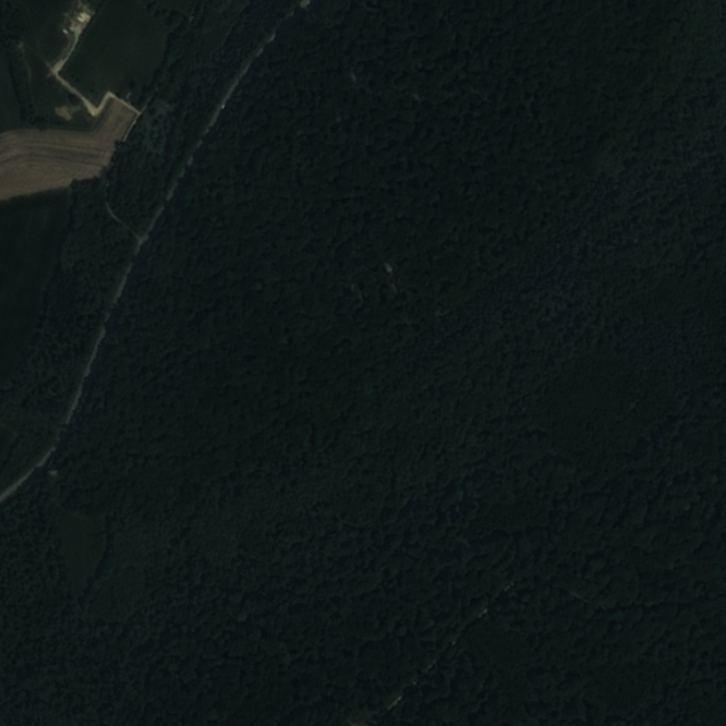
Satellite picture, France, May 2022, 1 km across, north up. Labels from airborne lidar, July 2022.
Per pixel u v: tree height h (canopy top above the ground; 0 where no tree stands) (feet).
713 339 40
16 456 38
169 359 74
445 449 82
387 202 95
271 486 82
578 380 55
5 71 0
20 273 0
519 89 88
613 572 99
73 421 20
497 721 57
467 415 81
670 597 74
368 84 43
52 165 0
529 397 58
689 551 83
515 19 67
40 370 53
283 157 68
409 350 71
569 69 76
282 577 91
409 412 85
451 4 86
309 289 88
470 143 94
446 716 86
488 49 84
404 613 84
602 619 92
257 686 101
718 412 88
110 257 53
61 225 0
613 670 30
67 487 36
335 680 91
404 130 88
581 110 103
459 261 97
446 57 78
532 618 74
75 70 0
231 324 94
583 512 90
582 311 83
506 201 92
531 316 91
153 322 69
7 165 0
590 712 88
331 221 90
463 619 50
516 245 84
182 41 56
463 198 96
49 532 78
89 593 52
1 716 91
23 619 59
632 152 74
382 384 82
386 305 93
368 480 90
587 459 26
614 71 90
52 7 0
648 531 98
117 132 0
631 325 80
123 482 80
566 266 108
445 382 83
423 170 100
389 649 102
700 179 120
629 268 78
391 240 107
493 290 74
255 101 82
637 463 95
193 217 67
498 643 31
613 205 96
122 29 0
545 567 90
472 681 87
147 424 86
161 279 62
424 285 89
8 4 38
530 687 21
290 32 92
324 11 81
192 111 67
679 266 77
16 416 95
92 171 0
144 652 84
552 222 86
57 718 90
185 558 26
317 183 88
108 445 68
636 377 35
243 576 94
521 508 33
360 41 89
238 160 82
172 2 0
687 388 63
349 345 94
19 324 0
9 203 0
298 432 79
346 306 91
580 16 76
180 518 78
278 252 97
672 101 94
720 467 105
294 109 82
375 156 101
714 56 78
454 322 72
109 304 31
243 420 93
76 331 28
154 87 24
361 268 95
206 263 88
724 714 96
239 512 86
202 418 81
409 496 34
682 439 76
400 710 24
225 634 102
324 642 97
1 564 35
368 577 95
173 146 68
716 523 93
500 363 66
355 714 52
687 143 96
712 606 79
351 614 100
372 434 87
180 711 94
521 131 96
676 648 85
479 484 88
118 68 0
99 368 68
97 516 53
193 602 94
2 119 0
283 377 92
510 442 75
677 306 49
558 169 85
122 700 83
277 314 85
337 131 82
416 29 94
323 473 73
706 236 90
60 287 90
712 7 72
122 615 31
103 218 26
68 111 0
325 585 106
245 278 95
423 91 84
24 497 52
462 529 33
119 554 74
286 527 91
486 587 84
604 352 54
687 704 91
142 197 93
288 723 86
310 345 83
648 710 21
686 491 95
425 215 108
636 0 88
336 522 82
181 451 76
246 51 71
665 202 37
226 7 66
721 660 48
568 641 83
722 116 90
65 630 44
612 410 40
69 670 97
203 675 95
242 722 32
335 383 97
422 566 94
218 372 92
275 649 103
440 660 59
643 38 78
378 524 63
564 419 56
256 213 80
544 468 87
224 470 91
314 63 96
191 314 81
